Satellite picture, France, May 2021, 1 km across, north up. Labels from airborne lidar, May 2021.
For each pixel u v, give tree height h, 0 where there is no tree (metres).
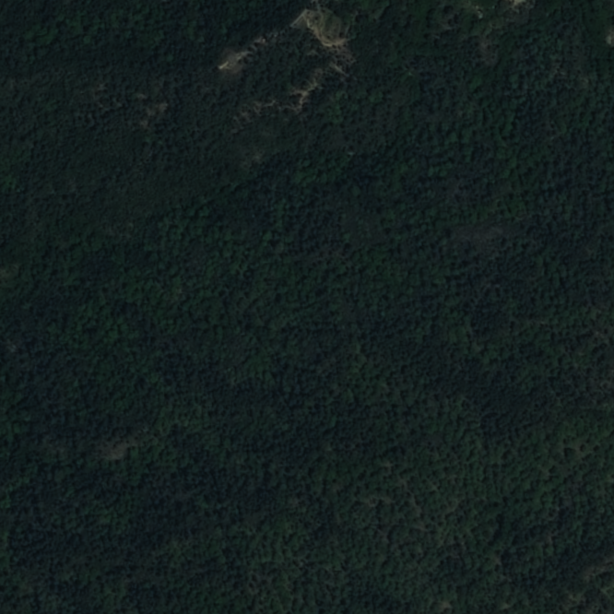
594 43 17
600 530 16
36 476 11
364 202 7
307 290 11
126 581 16
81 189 19
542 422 12
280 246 21
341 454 24
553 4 13
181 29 18
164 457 18
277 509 21
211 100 28
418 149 9
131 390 12
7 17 11
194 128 18
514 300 17
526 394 14
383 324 17
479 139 9
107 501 19
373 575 14
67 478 13
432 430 13
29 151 15
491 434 17
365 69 10
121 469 14
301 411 18
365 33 17
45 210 14
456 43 16
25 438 9
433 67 13
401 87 13
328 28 0
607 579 30
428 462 11
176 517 9
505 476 11
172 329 8
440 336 21
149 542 9
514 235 8
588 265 18
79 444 23
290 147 11
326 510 17
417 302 12
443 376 22
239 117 15
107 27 16
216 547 15
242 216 11
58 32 14
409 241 7
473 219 13
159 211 16
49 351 9
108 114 10
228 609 10
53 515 11
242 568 21
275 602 18
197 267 9
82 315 9
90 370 11
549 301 16
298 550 16
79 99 13
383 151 20
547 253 17
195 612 9
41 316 9
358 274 12
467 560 18
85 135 11
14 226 26
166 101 19
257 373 13
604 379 20
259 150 8
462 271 10
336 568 13
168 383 6
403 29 18
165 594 13
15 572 7
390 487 12
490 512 25
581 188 20
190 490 19
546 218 13
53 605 9
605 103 18
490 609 22
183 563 10
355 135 9
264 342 21
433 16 20
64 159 14
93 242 18
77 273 12
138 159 17
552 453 15
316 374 16
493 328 17
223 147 10
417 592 14
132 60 7
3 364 14
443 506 14
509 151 21
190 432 11
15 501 10
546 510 12
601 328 18
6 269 16
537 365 13
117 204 9
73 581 13
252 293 15
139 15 15
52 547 22
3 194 15
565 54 14
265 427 12
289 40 24
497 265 13
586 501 7
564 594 16
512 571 20
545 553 7
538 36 13
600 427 11
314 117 25
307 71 16
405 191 8
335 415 15
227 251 15
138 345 6
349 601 13
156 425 12
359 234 9
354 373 13
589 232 16
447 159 14
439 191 6
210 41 13
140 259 8
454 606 12
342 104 20
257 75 23
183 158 10
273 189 9
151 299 17
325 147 7
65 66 7
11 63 22
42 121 17
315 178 11
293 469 19
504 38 18
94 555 17
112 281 14
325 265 13
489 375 14
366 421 18
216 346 9
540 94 16
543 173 6
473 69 13
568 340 13
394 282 14
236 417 20
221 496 23
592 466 8
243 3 12
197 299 18
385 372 18
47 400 14
